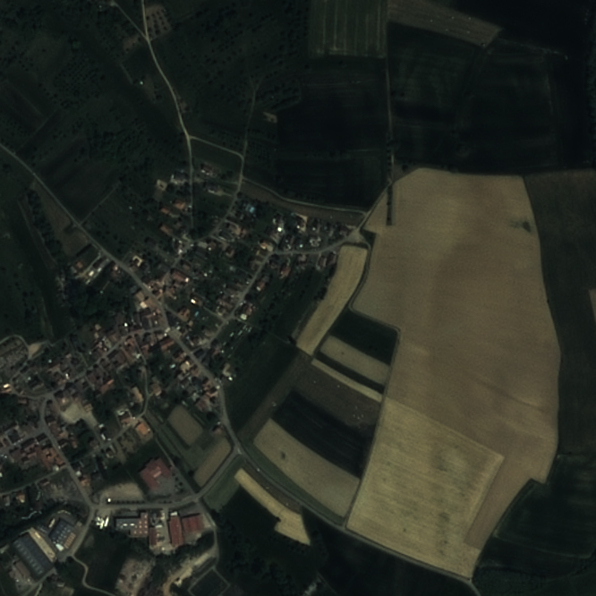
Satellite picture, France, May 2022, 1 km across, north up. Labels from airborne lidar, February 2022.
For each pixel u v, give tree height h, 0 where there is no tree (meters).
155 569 0
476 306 0
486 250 0
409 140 0
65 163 0
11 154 0
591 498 0
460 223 0
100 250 0
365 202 0
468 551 0
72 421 0
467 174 0
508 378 0
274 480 0
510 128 0
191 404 0
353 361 0
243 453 0
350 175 0
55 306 0
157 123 0
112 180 0
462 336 0
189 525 0
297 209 0
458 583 0
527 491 0
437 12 0
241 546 24
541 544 0
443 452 0
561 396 0
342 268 0
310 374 0
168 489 0
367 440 0
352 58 0
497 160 0
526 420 0
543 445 0
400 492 0
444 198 0
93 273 0
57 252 17
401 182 0
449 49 0
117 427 0
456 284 0
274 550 0
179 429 0
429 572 0
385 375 0
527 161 0
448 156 0
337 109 0
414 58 0
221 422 0
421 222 0
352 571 0
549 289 0
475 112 0
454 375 0
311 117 0
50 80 0
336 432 0
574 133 0
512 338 0
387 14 0
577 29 0
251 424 0
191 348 0
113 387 0
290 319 0
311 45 0
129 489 0
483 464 0
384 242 0
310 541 0
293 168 0
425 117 0
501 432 0
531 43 0
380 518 0
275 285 0
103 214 0
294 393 0
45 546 0
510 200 0
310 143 0
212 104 0
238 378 0
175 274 0
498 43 0
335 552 0
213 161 0
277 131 0
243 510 0
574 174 0
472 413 0
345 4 0
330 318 0
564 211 0
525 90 0
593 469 0
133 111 0
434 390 0
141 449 0
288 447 0
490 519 0
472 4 0
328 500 0
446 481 0
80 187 0
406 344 0
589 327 0
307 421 0
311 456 0
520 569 0
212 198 0
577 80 0
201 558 0
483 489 0
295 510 0
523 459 0
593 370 0
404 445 0
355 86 0
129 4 0
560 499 0
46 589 0
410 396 0
